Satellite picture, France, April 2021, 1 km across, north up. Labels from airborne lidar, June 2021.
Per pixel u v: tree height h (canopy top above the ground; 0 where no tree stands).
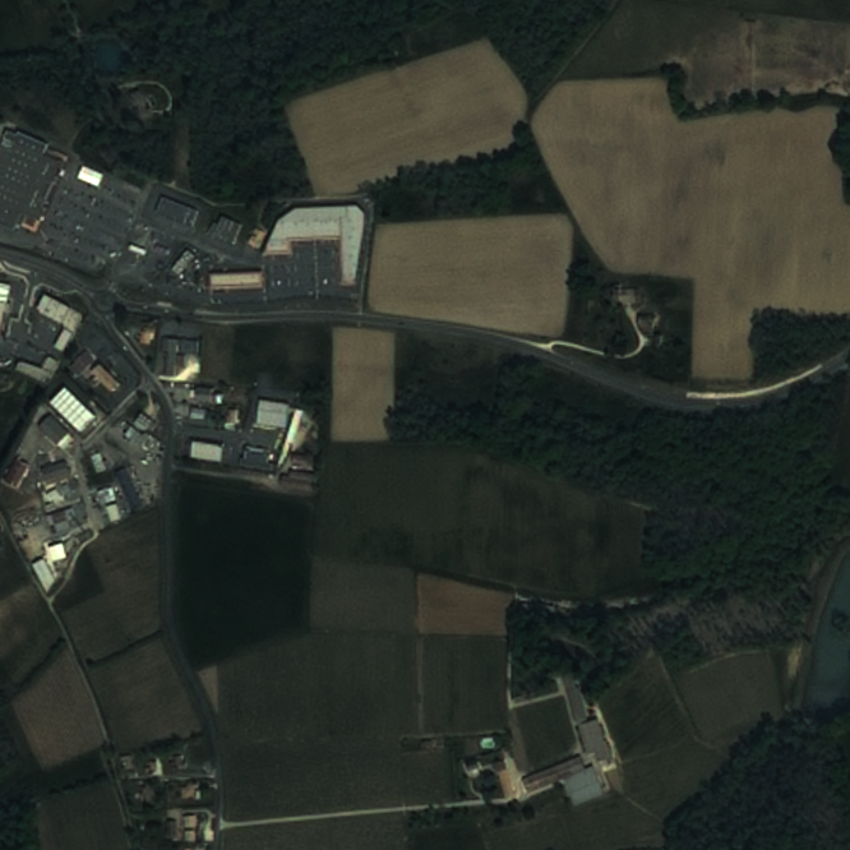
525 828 0
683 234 0
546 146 0
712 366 0
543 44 17
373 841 0
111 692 0
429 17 20
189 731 0
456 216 12
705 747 0
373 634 0
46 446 0
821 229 0
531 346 0
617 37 0
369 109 0
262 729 0
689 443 23
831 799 18
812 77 0
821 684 0
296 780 0
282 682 0
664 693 0
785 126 0
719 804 18
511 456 15
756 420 25
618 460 19
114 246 0
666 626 13
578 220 0
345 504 0
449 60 0
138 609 0
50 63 13
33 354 0
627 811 0
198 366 0
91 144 10
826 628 0
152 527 0
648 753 0
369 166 0
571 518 0
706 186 0
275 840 0
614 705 0
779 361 19
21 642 0
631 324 0
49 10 0
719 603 18
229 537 0
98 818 0
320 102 0
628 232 0
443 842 0
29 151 0
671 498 17
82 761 0
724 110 17
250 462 0
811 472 25
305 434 0
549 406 7
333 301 0
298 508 0
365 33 24
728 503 17
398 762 0
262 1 23
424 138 0
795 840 21
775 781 24
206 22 26
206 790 13
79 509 0
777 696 0
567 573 0
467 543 0
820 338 20
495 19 14
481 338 0
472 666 0
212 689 0
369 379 0
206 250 0
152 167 9
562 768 0
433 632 0
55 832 0
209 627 0
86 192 0
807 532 22
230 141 12
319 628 0
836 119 0
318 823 0
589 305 0
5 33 0
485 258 0
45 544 0
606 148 0
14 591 0
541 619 23
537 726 0
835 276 0
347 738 0
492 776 11
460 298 0
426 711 0
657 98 0
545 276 0
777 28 0
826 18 0
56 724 0
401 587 0
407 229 0
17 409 0
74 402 0
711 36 0
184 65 25
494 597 0
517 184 0
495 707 0
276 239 0
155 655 0
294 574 0
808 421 24
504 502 0
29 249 0
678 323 0
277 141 19
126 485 0
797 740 21
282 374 0
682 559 23
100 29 8
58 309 0
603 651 10
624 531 0
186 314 0
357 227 0
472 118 0
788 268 0
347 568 0
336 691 0
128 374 0
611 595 0
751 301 0
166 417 0
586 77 0
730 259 0
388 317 0
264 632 0
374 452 0
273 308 0
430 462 0
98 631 0
